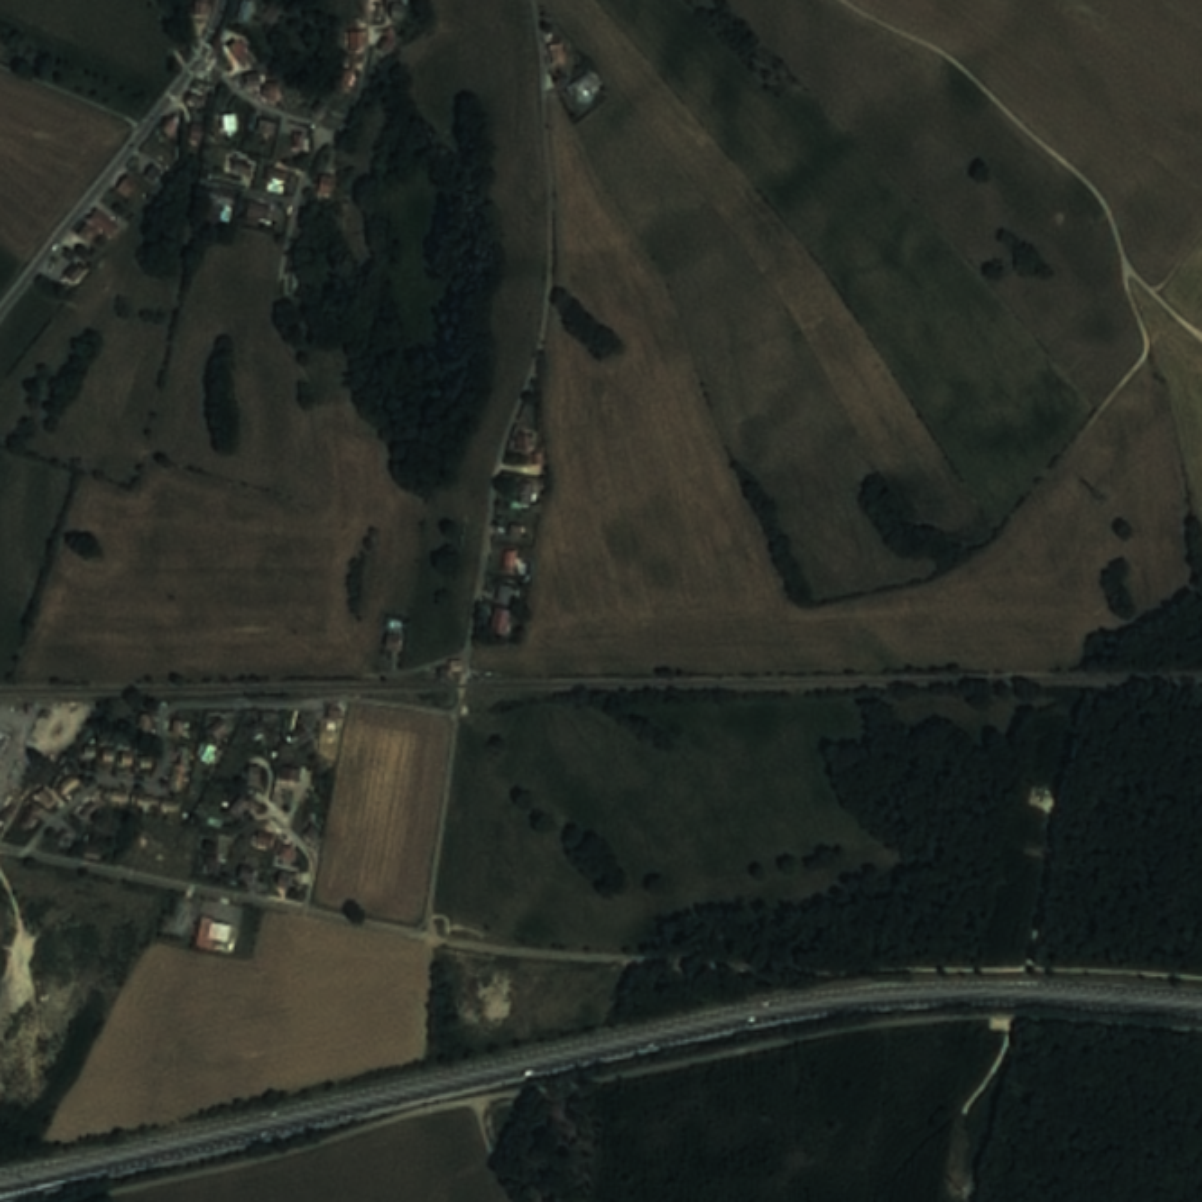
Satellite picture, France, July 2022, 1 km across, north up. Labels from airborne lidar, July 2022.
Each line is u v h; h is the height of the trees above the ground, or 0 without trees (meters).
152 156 0
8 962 0
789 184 0
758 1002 0
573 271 0
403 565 0
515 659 0
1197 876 19
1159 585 0
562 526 0
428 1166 0
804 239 0
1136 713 21
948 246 0
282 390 0
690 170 0
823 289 0
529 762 0
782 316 0
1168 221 0
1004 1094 17
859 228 0
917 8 0
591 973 0
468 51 0
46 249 0
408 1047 0
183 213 7
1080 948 19
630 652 0
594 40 0
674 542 0
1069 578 0
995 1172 22
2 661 0
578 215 0
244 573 0
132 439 0
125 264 0
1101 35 0
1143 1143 17
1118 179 0
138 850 0
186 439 0
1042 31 0
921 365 0
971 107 0
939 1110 7
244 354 0
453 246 20
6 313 0
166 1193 0
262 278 0
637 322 0
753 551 0
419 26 15
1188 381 0
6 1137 14
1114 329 0
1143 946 22
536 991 0
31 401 8
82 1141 7
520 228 0
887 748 21
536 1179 19
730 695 11
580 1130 22
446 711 0
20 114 0
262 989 0
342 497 0
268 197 0
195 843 0
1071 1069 21
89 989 0
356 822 0
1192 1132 20
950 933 21
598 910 0
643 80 0
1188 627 18
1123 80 0
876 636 0
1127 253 0
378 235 17
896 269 0
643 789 0
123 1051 0
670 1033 0
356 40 0
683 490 0
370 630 0
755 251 0
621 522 0
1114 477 0
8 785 0
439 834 0
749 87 0
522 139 0
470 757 0
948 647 0
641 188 0
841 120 0
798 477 0
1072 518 0
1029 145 0
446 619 0
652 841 0
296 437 0
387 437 11
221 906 0
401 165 28
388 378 26
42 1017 0
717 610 0
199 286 0
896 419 0
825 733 0
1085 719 18
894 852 16
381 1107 0
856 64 0
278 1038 0
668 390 0
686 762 0
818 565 0
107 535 0
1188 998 0
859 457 0
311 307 17
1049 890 16
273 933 0
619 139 0
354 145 12
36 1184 0
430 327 0
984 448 0
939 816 24
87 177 0
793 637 0
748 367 0
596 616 0
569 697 11
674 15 0
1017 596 0
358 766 0
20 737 0
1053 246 0
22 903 0
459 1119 0
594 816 0
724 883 0
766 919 19
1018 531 0
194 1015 0
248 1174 0
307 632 0
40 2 0
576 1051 0
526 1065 0
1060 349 0
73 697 0
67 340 0
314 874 0
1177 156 0
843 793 18
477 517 0
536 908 0
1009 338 0
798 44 0
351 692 0
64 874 0
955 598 0
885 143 0
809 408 0
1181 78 0
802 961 18
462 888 0
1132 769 21
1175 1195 17
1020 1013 10
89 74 8
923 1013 8
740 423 0
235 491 0
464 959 0
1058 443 0
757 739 0
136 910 0
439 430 23
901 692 18
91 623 0
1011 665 0
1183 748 21
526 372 0
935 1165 8
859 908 22
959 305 0
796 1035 9
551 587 0
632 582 0
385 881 0
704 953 18
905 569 0
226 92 7
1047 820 0
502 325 0
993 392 0
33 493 0
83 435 0
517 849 0
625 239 0
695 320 0
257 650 0
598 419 0
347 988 0
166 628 0
